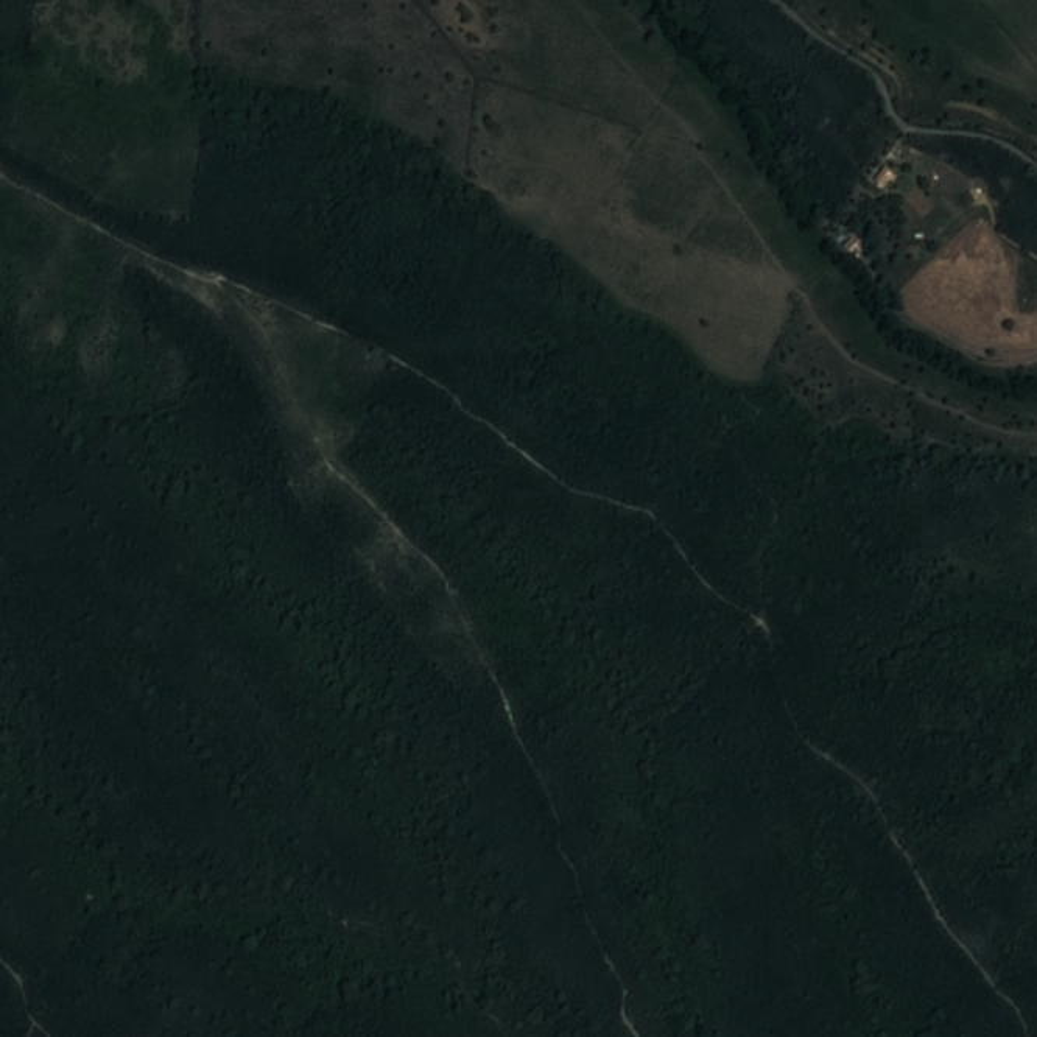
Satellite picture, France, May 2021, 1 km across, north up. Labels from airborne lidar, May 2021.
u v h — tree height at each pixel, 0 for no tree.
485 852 12
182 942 6
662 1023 6
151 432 10
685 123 0
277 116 17
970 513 5
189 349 9
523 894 6
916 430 8
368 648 10
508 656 5
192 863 6
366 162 8
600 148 0
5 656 6
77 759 7
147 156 0
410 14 0
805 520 6
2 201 0
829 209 7
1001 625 7
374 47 0
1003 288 0
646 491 5
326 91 11
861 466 6
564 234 0
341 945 10
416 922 7
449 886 12
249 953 6
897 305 14
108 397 6
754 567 10
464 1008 10
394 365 7
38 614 6
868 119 0
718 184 0
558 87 0
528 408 8
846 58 7
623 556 10
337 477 0
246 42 0
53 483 10
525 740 8
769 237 0
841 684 6
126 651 6
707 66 22
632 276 0
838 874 6
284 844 5
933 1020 11
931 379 0
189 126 0
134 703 6
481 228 15
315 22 0
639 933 7
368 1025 7
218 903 6
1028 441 0
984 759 8
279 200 6
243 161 7
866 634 9
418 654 6
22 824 6
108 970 12
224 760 5
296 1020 7
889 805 7
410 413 7
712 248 0
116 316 6
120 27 0
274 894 6
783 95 11
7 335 6
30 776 7
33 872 10
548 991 10
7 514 8
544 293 7
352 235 6
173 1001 11
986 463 10
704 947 12
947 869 5
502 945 11
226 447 6
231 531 7
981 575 6
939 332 0
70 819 7
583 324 6
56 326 0
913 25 0
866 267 10
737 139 0
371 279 10
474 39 7
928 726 11
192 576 6
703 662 6
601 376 6
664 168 0
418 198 8
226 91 8
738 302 0
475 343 9
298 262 5
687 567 6
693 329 0
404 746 10
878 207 10
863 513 9
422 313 10
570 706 9
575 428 5
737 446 5
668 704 14
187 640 5
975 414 0
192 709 6
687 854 6
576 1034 12
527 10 0
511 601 6
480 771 11
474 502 11
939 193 0
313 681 10
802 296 0
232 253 5
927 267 0
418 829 12
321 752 6
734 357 0
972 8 0
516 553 11
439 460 11
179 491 13
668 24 19
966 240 0
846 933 6
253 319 0
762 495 6
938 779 7
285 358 0
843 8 0
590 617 9
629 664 7
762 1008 6
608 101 0
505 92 0
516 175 0
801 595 7
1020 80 0
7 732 14
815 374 9
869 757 6
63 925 6
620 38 0
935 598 8
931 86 0
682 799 6
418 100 0
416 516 8
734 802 7
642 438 8
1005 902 6
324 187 9
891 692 7
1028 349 0
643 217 0
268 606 6
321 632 6
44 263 0
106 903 6
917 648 10
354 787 6
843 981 7
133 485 5
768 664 6
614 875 12
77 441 13
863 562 6
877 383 0
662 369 9
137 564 6
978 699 10
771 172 15
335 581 8
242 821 7
